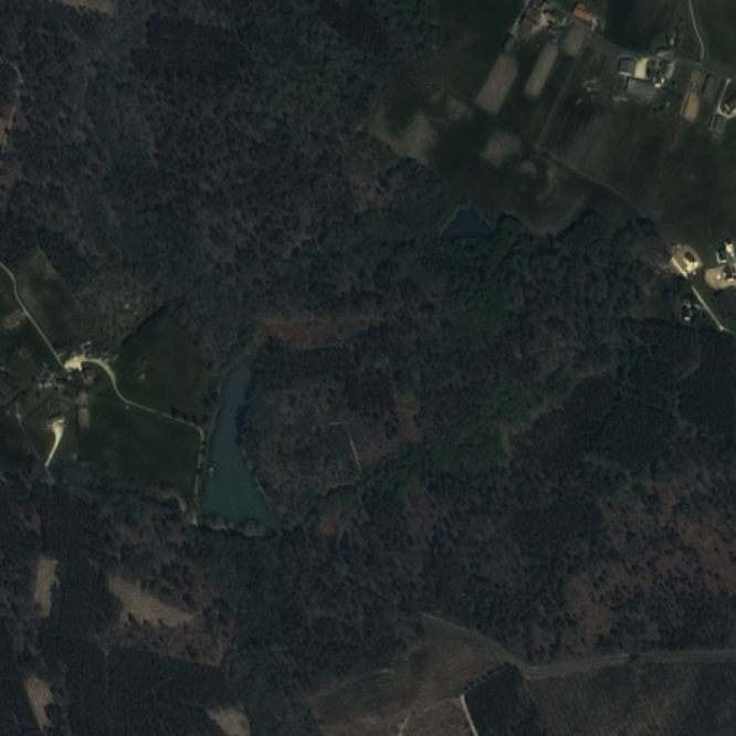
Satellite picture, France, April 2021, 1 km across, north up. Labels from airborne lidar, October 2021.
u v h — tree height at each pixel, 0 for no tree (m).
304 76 6
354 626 22
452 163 0
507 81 0
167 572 11
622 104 0
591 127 0
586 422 8
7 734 21
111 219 15
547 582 14
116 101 17
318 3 10
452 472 17
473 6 0
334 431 8
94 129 11
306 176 21
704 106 0
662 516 14
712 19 0
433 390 18
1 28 21
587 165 0
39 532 0
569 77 0
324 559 21
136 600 0
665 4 0
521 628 14
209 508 0
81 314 0
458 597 25
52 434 0
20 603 14
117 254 14
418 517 9
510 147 0
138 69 13
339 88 21
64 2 0
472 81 0
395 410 15
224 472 0
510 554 14
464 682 0
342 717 0
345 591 8
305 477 8
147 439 0
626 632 16
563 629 16
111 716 16
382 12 9
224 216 19
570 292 16
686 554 11
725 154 0
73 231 12
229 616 28
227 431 0
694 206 0
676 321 9
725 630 9
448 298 11
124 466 0
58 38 23
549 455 7
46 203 21
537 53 0
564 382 13
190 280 21
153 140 12
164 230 26
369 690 0
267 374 16
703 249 0
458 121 0
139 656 12
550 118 0
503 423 26
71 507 19
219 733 19
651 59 0
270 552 15
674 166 0
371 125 0
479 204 0
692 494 18
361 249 19
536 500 26
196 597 15
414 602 29
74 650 18
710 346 12
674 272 0
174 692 14
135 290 15
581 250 22
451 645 0
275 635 21
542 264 23
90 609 16
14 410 8
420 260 14
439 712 0
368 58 12
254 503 0
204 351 18
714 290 0
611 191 0
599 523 17
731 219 0
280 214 20
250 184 21
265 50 21
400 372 18
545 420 7
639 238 21
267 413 17
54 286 0
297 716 21
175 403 0
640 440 20
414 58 12
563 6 0
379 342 22
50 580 0
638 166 0
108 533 20
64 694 10
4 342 0
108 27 21
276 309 16
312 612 16
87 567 16
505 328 16
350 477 13
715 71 0
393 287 16
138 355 0
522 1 0
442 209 14
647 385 21
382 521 29
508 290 19
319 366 14
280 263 23
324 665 25
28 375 0
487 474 14
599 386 7
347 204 15
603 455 16
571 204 0
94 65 14
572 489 13
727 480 7
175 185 24
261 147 6
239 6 19
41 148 15
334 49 15
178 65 9
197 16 10
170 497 18
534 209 0
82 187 21
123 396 0
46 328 0
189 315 19
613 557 16
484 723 13
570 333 18
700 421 13
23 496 23
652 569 13
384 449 6
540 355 7
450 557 27
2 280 0
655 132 0
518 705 10
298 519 22
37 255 14
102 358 13
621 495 8
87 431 0
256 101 13
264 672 18
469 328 14
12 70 18
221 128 7
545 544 17
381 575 29
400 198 13
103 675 18
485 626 18
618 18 0
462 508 25
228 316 22
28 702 14
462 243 14
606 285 19
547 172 0
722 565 0
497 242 17
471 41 0
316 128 14
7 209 7
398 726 0
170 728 19
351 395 15
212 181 14
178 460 0
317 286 19
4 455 0
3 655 19
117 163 17
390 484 15
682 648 10
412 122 0
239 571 21
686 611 11
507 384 18
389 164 16
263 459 12
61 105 16
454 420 24
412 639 12
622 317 16
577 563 14
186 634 7
